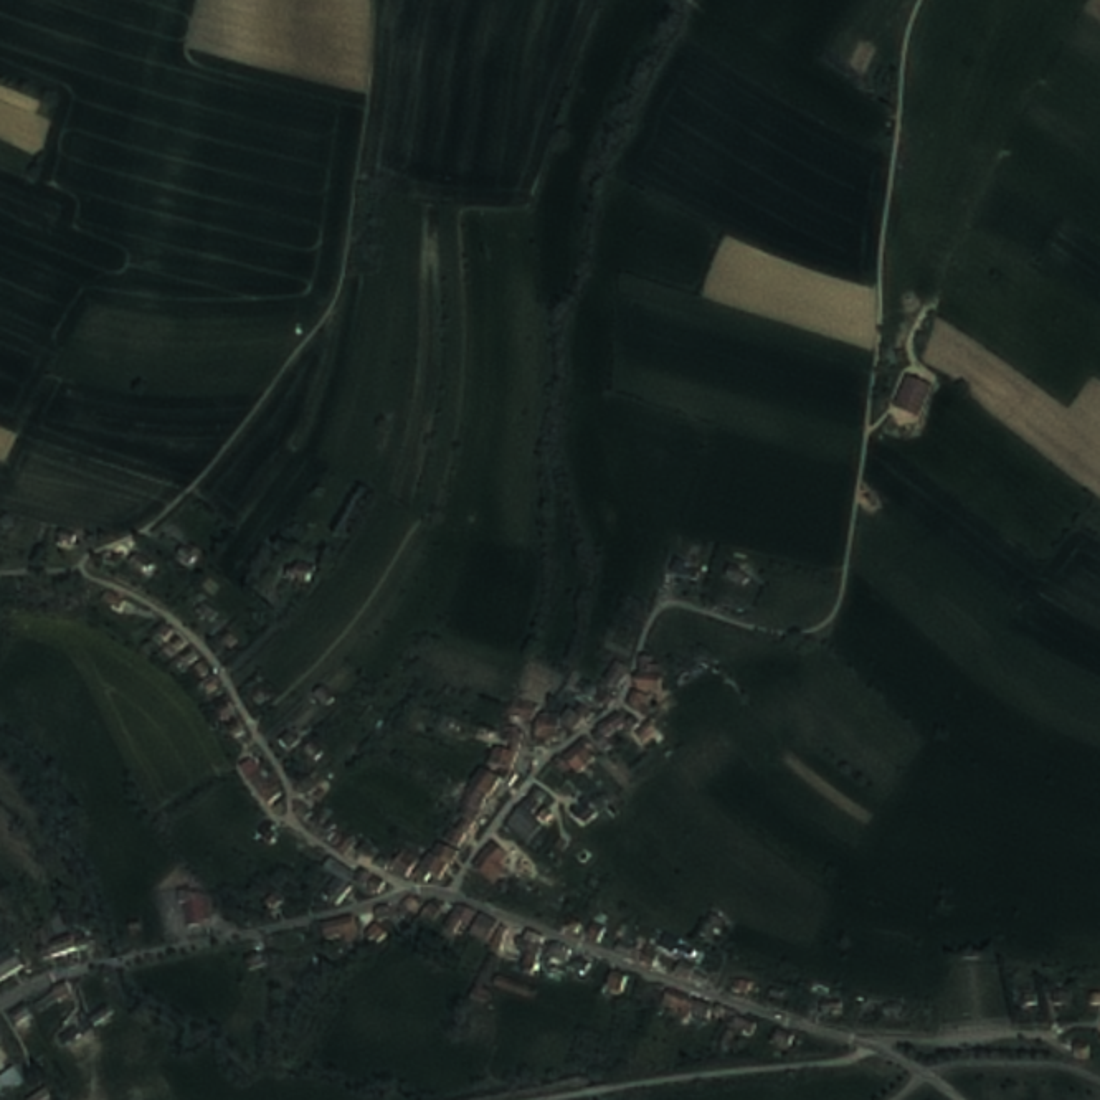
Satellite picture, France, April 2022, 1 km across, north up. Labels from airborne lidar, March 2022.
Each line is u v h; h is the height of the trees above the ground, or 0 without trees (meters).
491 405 0
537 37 0
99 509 0
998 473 0
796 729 0
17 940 12
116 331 0
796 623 0
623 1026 12
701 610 0
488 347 0
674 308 0
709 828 0
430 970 0
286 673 0
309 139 0
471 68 0
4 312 0
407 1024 0
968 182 0
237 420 0
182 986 0
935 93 0
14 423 0
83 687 0
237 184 0
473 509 0
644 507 0
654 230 0
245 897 10
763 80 0
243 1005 0
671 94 0
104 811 0
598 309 0
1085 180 0
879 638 0
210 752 0
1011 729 0
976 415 0
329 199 0
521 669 0
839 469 0
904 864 0
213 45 0
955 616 0
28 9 0
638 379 0
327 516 0
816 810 0
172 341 0
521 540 0
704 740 0
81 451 0
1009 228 0
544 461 14
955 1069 0
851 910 0
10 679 0
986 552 0
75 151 0
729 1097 0
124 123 0
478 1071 0
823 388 0
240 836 0
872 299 0
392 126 0
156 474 0
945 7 0
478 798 0
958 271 0
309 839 0
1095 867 0
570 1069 6
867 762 0
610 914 0
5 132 0
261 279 0
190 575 11
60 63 0
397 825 0
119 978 14
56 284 0
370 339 0
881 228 0
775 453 0
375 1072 0
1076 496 0
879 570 0
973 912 0
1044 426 0
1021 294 0
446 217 0
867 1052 0
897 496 0
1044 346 0
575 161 0
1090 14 0
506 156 0
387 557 0
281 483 0
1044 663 0
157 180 0
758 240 0
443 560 0
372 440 0
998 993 0
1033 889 0
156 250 0
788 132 0
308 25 0
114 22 0
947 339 0
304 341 0
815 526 0
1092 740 0
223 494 0
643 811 0
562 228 0
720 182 0
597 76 0
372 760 9
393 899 0
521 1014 0
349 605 0
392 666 0
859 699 0
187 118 0
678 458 0
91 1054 0
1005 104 0
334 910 0
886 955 0
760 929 0
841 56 0
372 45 0
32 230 0
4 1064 0
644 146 0
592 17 0
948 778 0
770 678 0
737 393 0
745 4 0
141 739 0
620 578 0
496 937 0
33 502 0
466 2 0
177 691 0
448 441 0
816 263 0
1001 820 0
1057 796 0
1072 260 0
